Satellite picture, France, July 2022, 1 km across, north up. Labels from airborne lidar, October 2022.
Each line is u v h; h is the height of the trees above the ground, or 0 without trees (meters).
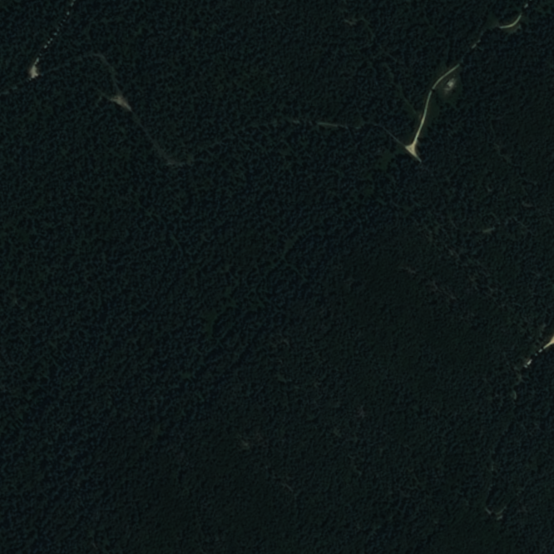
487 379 20
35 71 0
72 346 29
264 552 24
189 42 19
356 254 20
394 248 21
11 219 16
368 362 15
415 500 20
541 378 22
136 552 19
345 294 20
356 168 25
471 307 21
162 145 7
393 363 17
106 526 17
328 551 21
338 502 25
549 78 18
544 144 20
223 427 20
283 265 11
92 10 21
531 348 17
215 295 23
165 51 13
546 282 19
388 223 27
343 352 24
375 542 26
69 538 25
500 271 20
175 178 26
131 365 30
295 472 20
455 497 36
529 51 25
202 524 9
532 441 31
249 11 14
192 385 30
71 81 10
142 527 23
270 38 19
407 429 20
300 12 16
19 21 25
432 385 24
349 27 20
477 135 18
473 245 25
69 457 15
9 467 16
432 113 0
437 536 20
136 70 19
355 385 16
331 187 26
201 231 22
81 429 27
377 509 23
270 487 16
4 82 18
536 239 15
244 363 17
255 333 25
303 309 22
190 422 30
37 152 22
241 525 17
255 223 25
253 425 25
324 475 18
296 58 21
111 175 16
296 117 21
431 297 25
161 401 32
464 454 24
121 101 0
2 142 16
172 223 20
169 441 21
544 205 21
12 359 27
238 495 24
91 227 18
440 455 25
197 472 23
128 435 21
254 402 22
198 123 6
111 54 12
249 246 25
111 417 25
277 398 23
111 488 26
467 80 25
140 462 23
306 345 23
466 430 13
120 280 24
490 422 23
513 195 16
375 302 20
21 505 22
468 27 12
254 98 9
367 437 24
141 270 24
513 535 18
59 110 17
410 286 24
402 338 16
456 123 28
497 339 15
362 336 18
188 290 26
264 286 15
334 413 16
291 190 18
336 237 26
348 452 25
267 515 15
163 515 16
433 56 10
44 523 24
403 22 21
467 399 17
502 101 18
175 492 15
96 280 14
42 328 16
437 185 17
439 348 22
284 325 16
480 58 11
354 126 19
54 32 11
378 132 22
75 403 22
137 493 20
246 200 20
